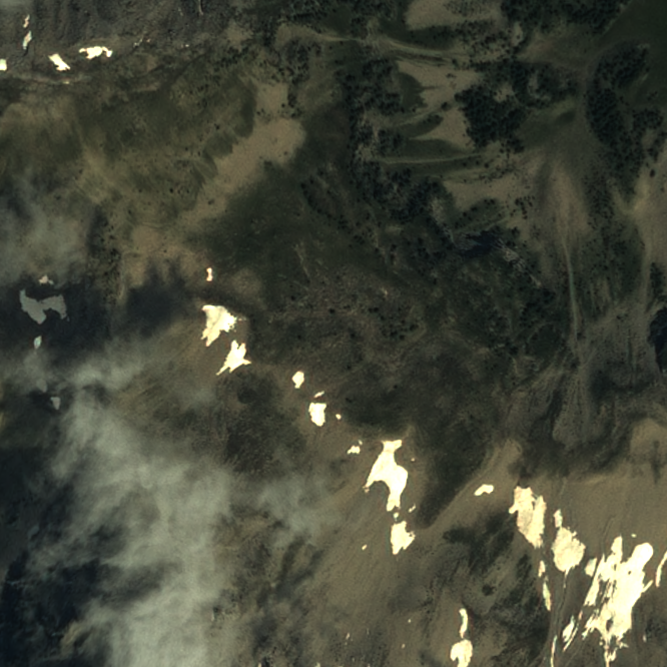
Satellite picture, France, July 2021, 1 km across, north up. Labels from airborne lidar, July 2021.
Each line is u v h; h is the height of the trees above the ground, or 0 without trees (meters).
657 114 6
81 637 0
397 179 12
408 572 0
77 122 0
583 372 0
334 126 0
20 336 0
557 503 0
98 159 0
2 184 0
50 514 0
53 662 0
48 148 0
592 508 0
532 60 0
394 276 0
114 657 0
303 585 0
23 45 0
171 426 0
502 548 0
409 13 0
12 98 0
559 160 0
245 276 0
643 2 0
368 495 0
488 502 0
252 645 0
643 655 0
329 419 0
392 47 0
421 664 0
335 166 0
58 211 0
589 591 0
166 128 0
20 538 0
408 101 0
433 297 0
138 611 0
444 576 0
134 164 0
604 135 9
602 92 8
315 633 0
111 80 0
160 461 0
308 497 0
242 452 0
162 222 0
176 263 0
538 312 7
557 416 0
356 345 0
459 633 0
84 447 0
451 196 0
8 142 0
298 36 0
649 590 0
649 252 0
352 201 0
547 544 0
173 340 0
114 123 0
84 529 0
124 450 0
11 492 0
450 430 0
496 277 0
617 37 0
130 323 0
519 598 0
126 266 0
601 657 0
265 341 0
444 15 0
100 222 0
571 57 0
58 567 0
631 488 0
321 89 0
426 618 0
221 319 0
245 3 0
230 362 0
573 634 0
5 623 10
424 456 0
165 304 0
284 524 0
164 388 0
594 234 0
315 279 0
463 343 0
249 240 0
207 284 0
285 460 0
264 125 0
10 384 0
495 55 0
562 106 0
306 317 0
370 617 0
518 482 0
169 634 0
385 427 0
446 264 0
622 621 0
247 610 0
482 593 0
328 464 0
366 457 0
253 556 0
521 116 10
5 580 0
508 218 0
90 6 0
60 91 0
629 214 0
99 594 0
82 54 0
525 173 0
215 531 0
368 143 8
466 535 0
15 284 0
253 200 0
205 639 0
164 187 0
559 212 0
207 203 0
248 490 0
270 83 0
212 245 0
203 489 0
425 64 0
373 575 0
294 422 0
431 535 0
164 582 0
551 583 0
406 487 0
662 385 0
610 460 0
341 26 0
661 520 0
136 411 0
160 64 0
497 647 0
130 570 0
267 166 0
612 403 0
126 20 0
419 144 0
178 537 0
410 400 0
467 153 0
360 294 0
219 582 0
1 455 0
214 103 0
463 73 0
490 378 0
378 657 0
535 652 0
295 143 0
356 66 0
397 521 0
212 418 0
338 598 0
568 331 0
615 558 0
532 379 0
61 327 0
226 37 0
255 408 0
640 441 0
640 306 0
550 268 0
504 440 0
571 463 0
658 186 0
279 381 0
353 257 0
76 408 0
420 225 0
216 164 0
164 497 0
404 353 0
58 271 0
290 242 0
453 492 0
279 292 0
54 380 0
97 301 0
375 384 0
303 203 0
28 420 0
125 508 0
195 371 0
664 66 0
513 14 13
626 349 0
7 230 0
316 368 0
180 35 0
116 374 0
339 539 0
